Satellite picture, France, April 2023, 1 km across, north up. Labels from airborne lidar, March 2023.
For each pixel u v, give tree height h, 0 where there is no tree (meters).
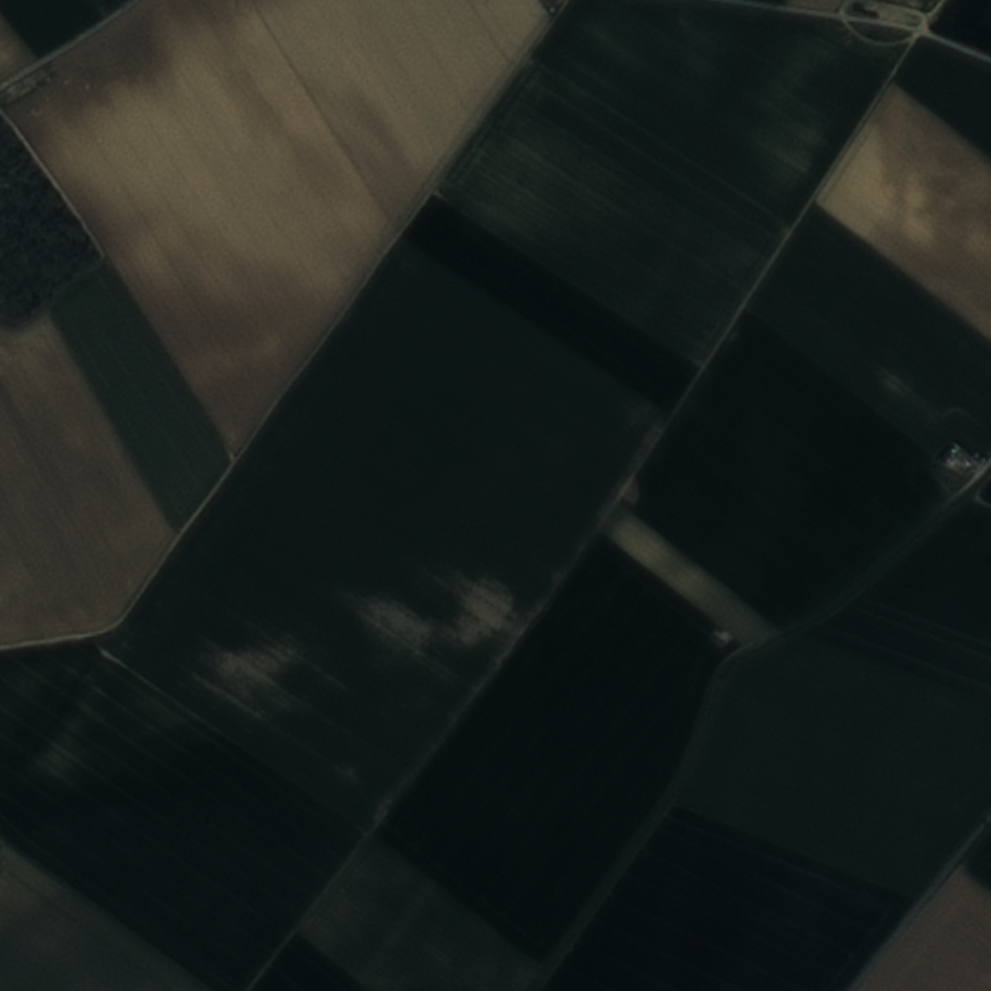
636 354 0
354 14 0
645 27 0
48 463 0
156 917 0
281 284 0
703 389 0
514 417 0
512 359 0
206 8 0
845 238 0
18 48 0
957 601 0
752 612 0
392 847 0
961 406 0
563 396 0
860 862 0
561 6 0
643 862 0
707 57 0
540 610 0
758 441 0
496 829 0
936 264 0
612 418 0
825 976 0
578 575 0
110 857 0
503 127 0
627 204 0
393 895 0
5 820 0
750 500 0
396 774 0
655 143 0
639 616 0
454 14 0
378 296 0
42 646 0
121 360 0
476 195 0
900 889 0
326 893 0
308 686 0
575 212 0
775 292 0
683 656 0
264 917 0
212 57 0
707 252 0
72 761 0
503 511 0
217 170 0
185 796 0
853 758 0
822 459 0
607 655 0
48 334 0
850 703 0
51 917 0
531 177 0
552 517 0
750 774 0
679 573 0
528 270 0
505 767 0
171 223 0
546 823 0
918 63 0
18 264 20
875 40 0
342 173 0
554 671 0
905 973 0
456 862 0
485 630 0
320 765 0
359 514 0
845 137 0
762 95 0
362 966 0
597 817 0
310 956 0
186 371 0
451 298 0
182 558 0
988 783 0
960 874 0
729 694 0
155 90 0
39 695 0
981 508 0
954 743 0
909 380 0
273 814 0
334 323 0
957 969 0
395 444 0
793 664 0
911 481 0
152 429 0
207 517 0
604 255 0
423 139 0
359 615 0
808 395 0
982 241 0
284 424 0
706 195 0
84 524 0
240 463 0
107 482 0
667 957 0
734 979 0
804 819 0
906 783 0
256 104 0
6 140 18
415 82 0
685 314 0
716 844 0
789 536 0
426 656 0
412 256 0
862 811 0
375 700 0
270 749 0
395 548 0
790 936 0
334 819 0
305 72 0
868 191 0
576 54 0
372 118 0
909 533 0
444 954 0
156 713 0
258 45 0
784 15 0
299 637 0
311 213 0
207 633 0
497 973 0
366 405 0
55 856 0
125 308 0
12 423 0
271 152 0
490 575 0
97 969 0
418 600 0
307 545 0
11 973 0
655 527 0
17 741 0
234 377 0
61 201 13
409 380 0
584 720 0
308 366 0
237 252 0
